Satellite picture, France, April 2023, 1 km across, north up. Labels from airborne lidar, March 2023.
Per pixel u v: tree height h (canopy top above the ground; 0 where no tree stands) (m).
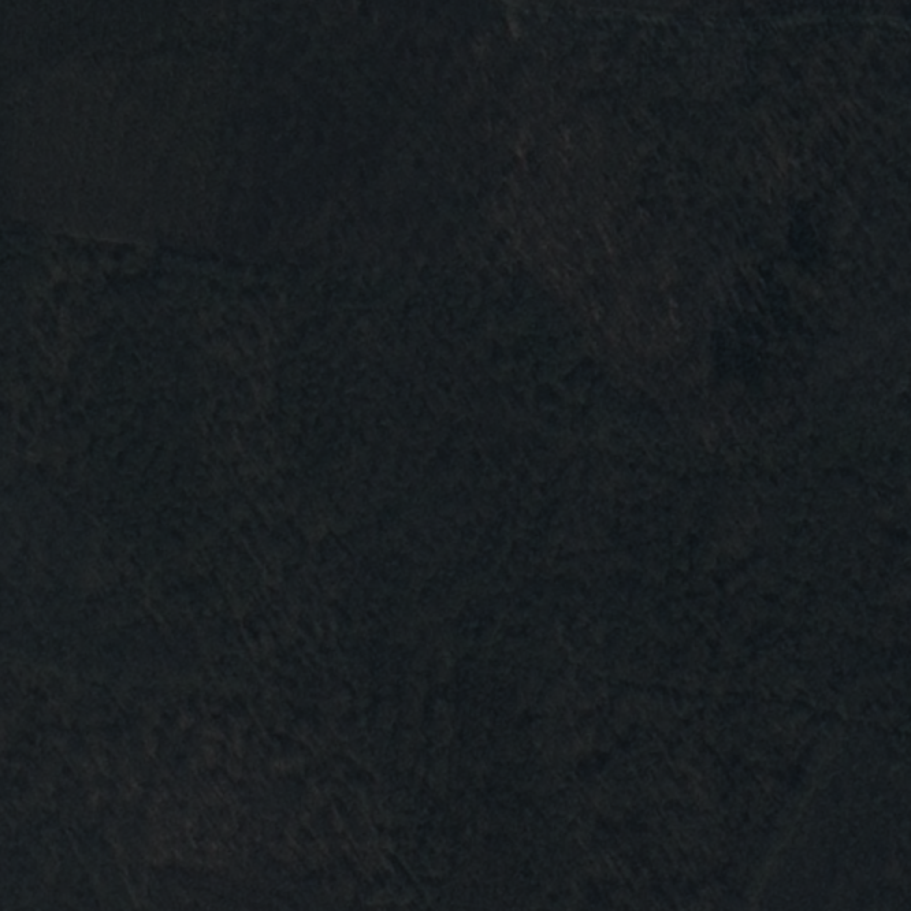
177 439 24
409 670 21
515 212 25
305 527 19
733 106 24
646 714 25
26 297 29
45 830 22
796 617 21
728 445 17
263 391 25
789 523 24
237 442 26
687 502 24
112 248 0
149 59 14
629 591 25
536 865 23
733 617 23
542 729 24
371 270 18
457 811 20
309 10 25
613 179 27
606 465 22
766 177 23
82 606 24
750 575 25
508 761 7
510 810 21
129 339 22
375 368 22
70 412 17
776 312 19
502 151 19
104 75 17
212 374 21
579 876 27
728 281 28
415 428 25
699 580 17
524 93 27
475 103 21
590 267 29
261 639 25
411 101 21
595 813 27
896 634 26
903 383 23
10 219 17
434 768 23
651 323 28
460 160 22
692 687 24
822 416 22
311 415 23
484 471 26
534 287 27
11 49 14
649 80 23
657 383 25
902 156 23
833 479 26
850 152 12
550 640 20
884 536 24
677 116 24
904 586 22
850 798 25
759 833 26
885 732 16
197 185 16
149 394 25
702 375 22
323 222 25
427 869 17
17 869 25
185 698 20
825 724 22
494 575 26
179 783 24
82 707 10
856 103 27
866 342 25
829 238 23
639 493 27
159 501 25
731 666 27
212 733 24
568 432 27
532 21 21
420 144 23
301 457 24
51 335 24
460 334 19
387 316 23
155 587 10
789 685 23
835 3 17
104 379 24
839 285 20
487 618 19
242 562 23
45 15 16
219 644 19
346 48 27
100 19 17
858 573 22
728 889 28
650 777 26
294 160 22
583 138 29
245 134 28
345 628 18
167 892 18
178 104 19
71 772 24
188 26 14
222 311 22
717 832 26
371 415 25
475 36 24
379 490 23
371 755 21
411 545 28
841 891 25
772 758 26
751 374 28
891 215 23
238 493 25
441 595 23
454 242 21
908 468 25
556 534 24
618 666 28
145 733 26
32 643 27
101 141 17
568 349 29
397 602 21
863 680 24
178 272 29
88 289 21
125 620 22
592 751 27
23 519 21
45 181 17
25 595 21
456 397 25
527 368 25
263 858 24
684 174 11
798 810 23
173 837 24
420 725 13
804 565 27
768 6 11
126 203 16
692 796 25
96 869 25
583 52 27
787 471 24
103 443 20
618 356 24
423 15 22
